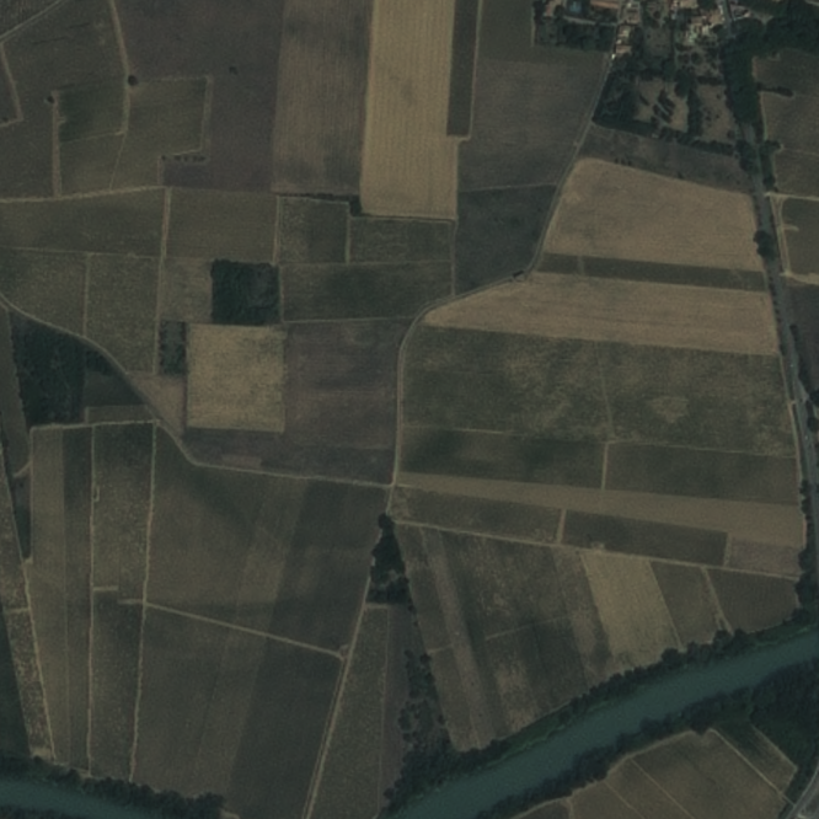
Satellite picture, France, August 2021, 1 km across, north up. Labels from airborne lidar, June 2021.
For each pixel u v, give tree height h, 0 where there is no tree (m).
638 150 0
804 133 0
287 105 0
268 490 0
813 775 9
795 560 0
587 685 0
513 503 0
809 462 0
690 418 0
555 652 0
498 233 0
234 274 6
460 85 0
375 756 0
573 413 0
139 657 0
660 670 14
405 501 0
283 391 0
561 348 0
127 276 0
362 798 0
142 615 0
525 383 0
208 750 0
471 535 0
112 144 0
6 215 0
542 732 7
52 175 0
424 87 0
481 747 0
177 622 0
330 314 0
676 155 0
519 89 0
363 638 0
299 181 0
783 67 0
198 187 0
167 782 0
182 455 0
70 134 0
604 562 0
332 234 0
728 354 0
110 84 0
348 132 0
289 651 0
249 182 0
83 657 0
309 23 0
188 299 0
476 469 0
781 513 0
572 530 0
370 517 0
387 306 0
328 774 0
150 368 0
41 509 0
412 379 0
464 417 0
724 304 0
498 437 0
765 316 0
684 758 0
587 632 0
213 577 0
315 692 0
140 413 0
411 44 0
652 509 0
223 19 0
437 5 0
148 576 0
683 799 0
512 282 0
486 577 0
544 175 0
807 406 6
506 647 0
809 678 20
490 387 0
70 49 0
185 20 0
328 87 0
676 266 0
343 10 0
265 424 0
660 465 0
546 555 0
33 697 0
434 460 0
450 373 0
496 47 0
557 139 0
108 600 0
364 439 0
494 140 0
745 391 0
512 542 0
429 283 0
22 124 0
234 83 0
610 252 0
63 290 0
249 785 0
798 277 0
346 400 0
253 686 0
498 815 8
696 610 0
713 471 0
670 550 0
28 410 6
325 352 0
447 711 0
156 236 0
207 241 0
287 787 0
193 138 0
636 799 0
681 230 0
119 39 0
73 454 0
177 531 0
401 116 0
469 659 0
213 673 0
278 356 0
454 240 0
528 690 0
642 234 0
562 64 0
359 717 0
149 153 0
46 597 0
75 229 0
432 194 0
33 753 0
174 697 0
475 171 0
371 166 0
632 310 0
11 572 0
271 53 0
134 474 0
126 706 0
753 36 15
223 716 0
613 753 8
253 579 0
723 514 0
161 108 0
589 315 0
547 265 0
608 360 0
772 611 0
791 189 0
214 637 0
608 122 12
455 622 0
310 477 0
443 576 0
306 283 0
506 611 0
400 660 0
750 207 0
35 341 7
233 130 0
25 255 0
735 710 6
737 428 0
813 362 0
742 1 16
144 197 0
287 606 0
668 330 0
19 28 0
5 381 0
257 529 0
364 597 0
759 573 0
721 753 0
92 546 0
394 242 0
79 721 0
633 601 0
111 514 0
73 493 0
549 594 0
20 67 0
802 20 11
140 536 0
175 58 0
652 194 0
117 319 0
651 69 8
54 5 0
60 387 7
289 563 0
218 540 0
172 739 0
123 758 0
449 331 0
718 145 11
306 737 0
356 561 0
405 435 0
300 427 0
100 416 0
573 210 0
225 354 0
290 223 0
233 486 0
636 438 0
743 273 0
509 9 0
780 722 8
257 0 0
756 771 0
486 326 0
